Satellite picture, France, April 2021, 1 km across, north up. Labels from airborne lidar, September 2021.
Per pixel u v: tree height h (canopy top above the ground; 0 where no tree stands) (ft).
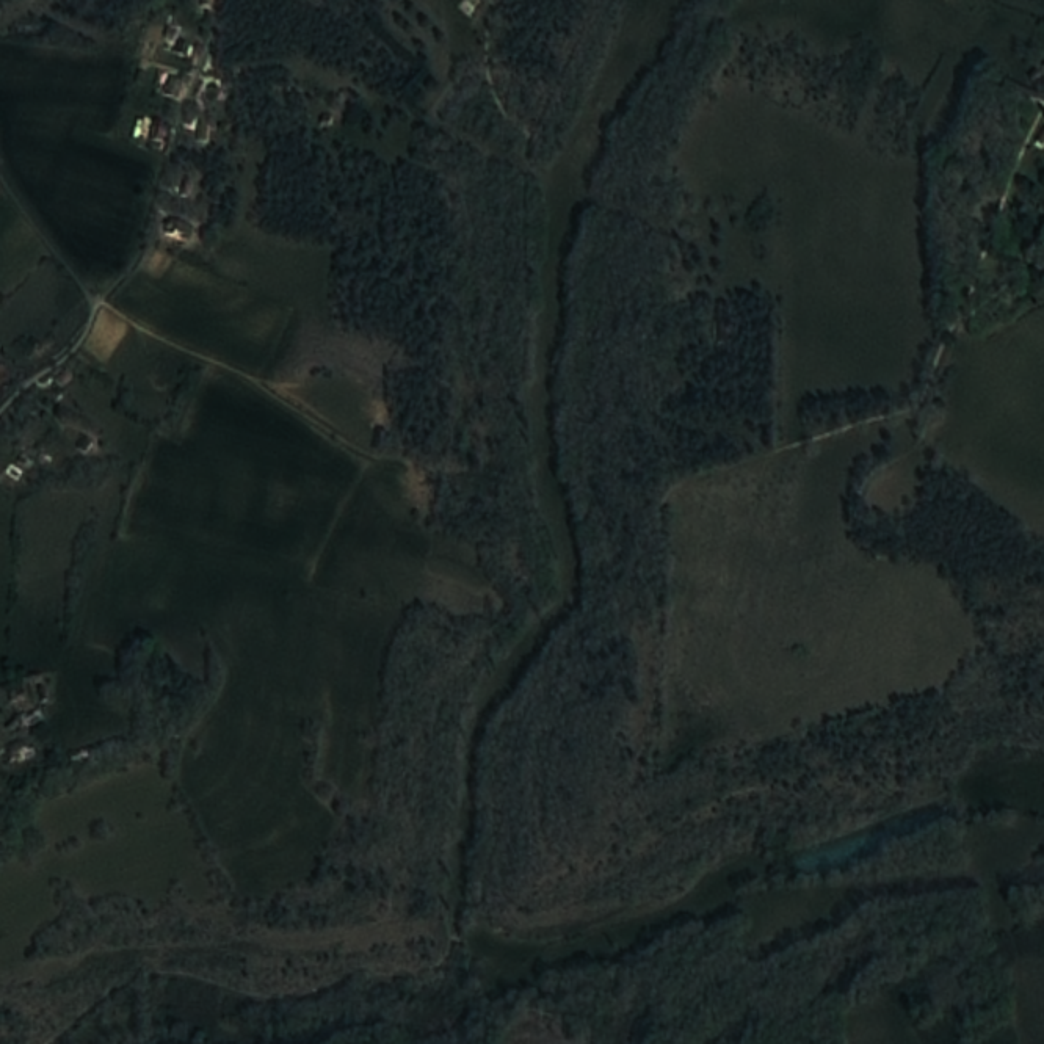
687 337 70
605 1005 61
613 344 72
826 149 0
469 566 0
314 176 39
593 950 0
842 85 20
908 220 0
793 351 0
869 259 0
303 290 0
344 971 44
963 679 55
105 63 0
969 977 57
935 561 64
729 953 78
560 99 57
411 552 0
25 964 22
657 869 57
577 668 53
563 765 51
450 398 54
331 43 55
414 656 58
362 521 0
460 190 59
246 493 0
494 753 74
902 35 0
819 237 0
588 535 69
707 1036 78
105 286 0
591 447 70
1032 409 0
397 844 41
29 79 0
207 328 0
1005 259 46
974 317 28
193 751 34
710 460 56
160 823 0
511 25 47
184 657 0
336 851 42
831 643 0
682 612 0
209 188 40
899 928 69
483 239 61
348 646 0
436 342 48
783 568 0
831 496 0
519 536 44
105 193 0
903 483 0
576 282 78
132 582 0
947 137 54
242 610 0
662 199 58
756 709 0
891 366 0
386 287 57
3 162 0
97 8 41
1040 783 0
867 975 61
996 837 0
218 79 20
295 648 0
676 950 74
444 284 52
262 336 0
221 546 0
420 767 47
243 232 0
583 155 0
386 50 22
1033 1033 0
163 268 0
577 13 31
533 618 54
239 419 0
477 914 54
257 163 0
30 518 0
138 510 0
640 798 52
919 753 55
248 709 0
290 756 0
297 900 46
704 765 41
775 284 0
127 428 0
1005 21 0
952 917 74
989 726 60
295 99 48
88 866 0
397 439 28
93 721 0
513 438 57
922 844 88
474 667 49
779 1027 59
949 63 0
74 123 0
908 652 0
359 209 27
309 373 0
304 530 0
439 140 48
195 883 0
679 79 65
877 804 42
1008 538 70
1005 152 77
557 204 0
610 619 53
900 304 0
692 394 20
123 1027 0
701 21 63
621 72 0
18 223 0
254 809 0
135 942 56
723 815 31
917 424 49
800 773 50
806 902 0
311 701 0
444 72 0
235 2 57
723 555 0
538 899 20
